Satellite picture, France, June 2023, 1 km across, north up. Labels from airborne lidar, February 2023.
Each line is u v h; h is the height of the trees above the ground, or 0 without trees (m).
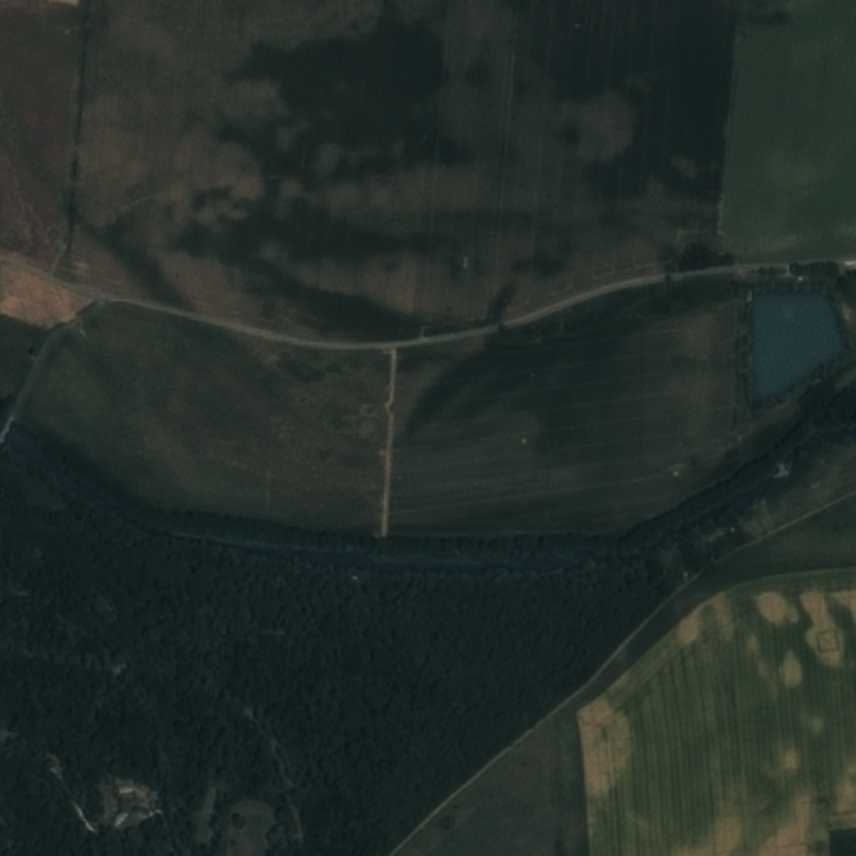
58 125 0
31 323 0
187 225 0
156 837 20
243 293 0
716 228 0
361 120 0
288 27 0
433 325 0
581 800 0
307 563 9
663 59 0
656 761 0
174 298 0
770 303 0
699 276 0
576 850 0
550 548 25
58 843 11
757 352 0
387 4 0
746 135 0
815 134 0
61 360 0
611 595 18
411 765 24
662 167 0
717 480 0
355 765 20
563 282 0
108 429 0
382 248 0
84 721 21
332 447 0
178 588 22
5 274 0
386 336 0
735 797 0
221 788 15
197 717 24
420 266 0
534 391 0
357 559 0
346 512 0
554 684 17
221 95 0
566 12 0
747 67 0
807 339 0
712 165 0
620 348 0
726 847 0
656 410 0
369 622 14
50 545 21
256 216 0
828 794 0
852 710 0
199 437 0
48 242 0
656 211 0
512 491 0
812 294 0
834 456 0
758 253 0
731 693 0
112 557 24
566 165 0
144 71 0
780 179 0
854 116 0
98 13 0
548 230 0
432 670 22
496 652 24
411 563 0
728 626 0
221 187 0
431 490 0
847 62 0
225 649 13
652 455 0
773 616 0
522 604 19
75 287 0
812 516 0
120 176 0
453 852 0
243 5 0
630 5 0
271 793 7
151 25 0
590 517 0
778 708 0
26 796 13
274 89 0
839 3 0
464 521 0
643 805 0
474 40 0
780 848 0
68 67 0
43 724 21
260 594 27
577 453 0
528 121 0
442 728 23
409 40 0
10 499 15
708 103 0
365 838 20
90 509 11
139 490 0
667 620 0
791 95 0
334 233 0
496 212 0
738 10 0
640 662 0
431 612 19
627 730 0
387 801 19
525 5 0
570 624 21
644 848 0
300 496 0
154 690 17
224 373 0
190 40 0
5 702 23
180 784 13
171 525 26
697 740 0
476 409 0
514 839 0
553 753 0
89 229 0
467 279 0
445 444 0
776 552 0
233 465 0
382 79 0
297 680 7
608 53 0
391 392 0
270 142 0
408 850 0
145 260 0
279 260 0
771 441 0
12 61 0
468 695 23
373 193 0
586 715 0
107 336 0
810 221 0
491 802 0
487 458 0
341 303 0
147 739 18
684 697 0
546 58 0
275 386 0
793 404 0
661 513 0
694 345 0
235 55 0
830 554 0
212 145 0
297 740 8
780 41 0
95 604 12
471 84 0
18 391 0
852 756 0
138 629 21
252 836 0
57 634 19
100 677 17
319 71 0
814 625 0
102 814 17
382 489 0
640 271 0
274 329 0
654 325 0
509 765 0
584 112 0
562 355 0
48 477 14
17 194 0
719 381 0
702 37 0
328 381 0
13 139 0
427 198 0
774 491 8
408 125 0
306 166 0
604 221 0
